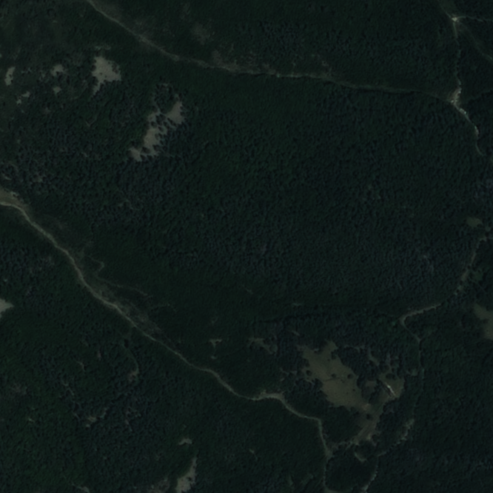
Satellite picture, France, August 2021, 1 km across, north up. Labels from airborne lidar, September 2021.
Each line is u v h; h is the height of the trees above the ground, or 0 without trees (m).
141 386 15
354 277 12
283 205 20
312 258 18
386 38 15
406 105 23
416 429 11
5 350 9
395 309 16
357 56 32
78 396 14
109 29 6
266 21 15
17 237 11
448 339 19
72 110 8
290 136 17
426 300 17
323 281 14
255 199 27
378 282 16
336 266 18
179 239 18
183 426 18
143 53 7
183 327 12
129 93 10
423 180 15
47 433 22
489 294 8
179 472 16
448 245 11
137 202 19
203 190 16
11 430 26
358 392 0
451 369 29
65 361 13
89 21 10
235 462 15
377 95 18
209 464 19
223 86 8
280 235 19
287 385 13
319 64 10
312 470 17
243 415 10
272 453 21
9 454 10
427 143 17
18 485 12
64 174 9
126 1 7
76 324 23
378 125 20
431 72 24
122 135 14
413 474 12
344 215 14
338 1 13
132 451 16
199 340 10
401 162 22
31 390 13
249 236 25
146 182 24
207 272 20
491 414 18
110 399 18
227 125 15
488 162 19
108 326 25
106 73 0
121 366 19
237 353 10
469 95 16
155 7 9
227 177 15
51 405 20
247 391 10
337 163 18
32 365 16
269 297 8
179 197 15
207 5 11
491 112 9
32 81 0
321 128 21
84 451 13
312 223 22
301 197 22
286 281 20
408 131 25
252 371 12
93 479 20
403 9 18
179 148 11
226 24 8
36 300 15
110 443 19
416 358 17
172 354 14
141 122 21
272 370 17
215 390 13
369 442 7
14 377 13
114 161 25
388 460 23
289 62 11
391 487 14
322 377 0
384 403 0
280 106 22
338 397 0
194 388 16
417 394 13
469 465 14
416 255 25
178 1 7
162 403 18
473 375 16
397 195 21
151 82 14
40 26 6
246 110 20
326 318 18
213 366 10
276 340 13
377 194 10
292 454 16
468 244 14
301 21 14
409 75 23
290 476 21
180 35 7
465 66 16
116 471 16
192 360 9
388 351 21
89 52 10
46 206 6
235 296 14
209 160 15
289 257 18
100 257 7
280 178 25
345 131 36
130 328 11
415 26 16
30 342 10
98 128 23
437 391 28
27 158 6
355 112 17
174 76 9
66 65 23
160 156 8
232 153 16
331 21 15
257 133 22
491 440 22
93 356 12
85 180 31
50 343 9
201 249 22
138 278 7
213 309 12
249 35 9
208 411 15
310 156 18
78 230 8
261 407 10
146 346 10
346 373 0
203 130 20
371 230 27
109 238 13
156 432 18
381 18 18
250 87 11
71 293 19
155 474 13
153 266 12
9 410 12
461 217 16
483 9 13
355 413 8
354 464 15
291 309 12
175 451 15
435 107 27
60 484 17
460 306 19
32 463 25
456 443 25
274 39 26
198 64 6
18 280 16
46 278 15
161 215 22
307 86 15
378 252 21
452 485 14
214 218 27
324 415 21
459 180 24
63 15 7
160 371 23
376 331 21
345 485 13
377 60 18
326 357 0
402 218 20
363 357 17
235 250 24
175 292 9
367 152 16
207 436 16
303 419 9
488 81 20
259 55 13
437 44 22
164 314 11
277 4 11
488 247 10
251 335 18
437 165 22
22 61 7
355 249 15
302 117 26
